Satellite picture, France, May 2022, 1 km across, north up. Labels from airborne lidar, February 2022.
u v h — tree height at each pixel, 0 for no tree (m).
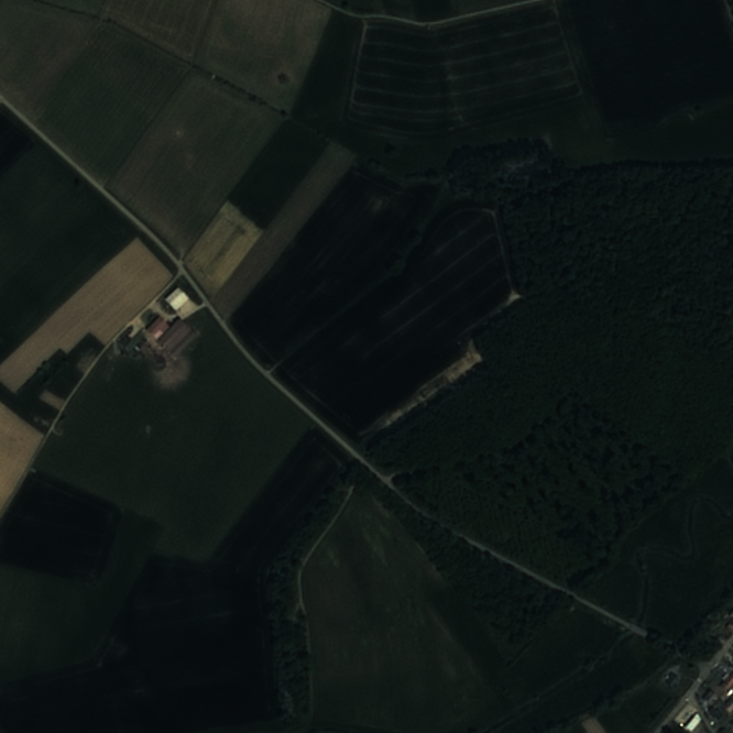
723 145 0
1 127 0
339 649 0
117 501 0
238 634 0
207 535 0
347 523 0
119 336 0
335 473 0
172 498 0
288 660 14
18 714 0
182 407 0
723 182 25
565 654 0
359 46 0
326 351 0
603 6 0
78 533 0
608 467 27
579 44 0
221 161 0
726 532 0
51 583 0
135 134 0
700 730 0
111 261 0
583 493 25
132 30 0
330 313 0
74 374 0
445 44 0
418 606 0
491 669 0
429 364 0
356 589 0
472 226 0
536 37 0
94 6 0
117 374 0
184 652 0
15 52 0
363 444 0
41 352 0
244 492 0
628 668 0
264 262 0
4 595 0
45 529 0
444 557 21
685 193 28
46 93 0
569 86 0
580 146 0
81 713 0
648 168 19
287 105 0
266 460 0
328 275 0
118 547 0
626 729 0
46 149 0
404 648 0
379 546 0
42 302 0
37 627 0
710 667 0
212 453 0
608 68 0
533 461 25
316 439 0
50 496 0
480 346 14
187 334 0
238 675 0
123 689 0
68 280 0
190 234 0
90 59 0
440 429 16
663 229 28
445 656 0
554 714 0
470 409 16
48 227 0
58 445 0
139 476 0
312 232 0
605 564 23
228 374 0
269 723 0
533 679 0
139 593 0
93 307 0
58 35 0
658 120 0
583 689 0
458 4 0
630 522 20
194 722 0
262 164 0
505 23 0
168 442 0
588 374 19
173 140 0
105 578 0
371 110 0
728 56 0
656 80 0
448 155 0
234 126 0
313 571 0
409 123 0
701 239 26
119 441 0
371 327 0
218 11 0
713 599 0
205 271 0
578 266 28
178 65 0
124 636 0
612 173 21
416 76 0
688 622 0
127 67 0
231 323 0
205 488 0
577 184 22
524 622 22
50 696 0
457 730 0
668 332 21
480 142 0
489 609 20
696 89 0
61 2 0
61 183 0
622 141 0
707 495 0
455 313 0
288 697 9
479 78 0
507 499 25
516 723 0
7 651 0
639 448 26
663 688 0
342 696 0
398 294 0
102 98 0
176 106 0
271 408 0
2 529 0
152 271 0
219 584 0
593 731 0
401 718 0
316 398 0
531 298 21
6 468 0
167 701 0
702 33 0
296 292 0
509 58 0
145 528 0
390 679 0
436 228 0
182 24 0
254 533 0
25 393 0
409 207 0
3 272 0
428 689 0
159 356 0
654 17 0
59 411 0
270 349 0
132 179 0
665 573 0
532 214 24
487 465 19
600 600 0
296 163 0
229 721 0
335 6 0
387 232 0
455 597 0
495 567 22
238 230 0
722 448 14
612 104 0
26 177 0
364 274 0
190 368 0
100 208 0
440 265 0
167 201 0
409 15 0
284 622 15
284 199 0
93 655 0
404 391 0
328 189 0
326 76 0
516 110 0
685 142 0
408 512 19
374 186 0
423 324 0
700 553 0
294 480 0
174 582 0
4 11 0
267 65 0
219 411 0
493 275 0
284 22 0
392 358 0
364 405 0
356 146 0
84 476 0
